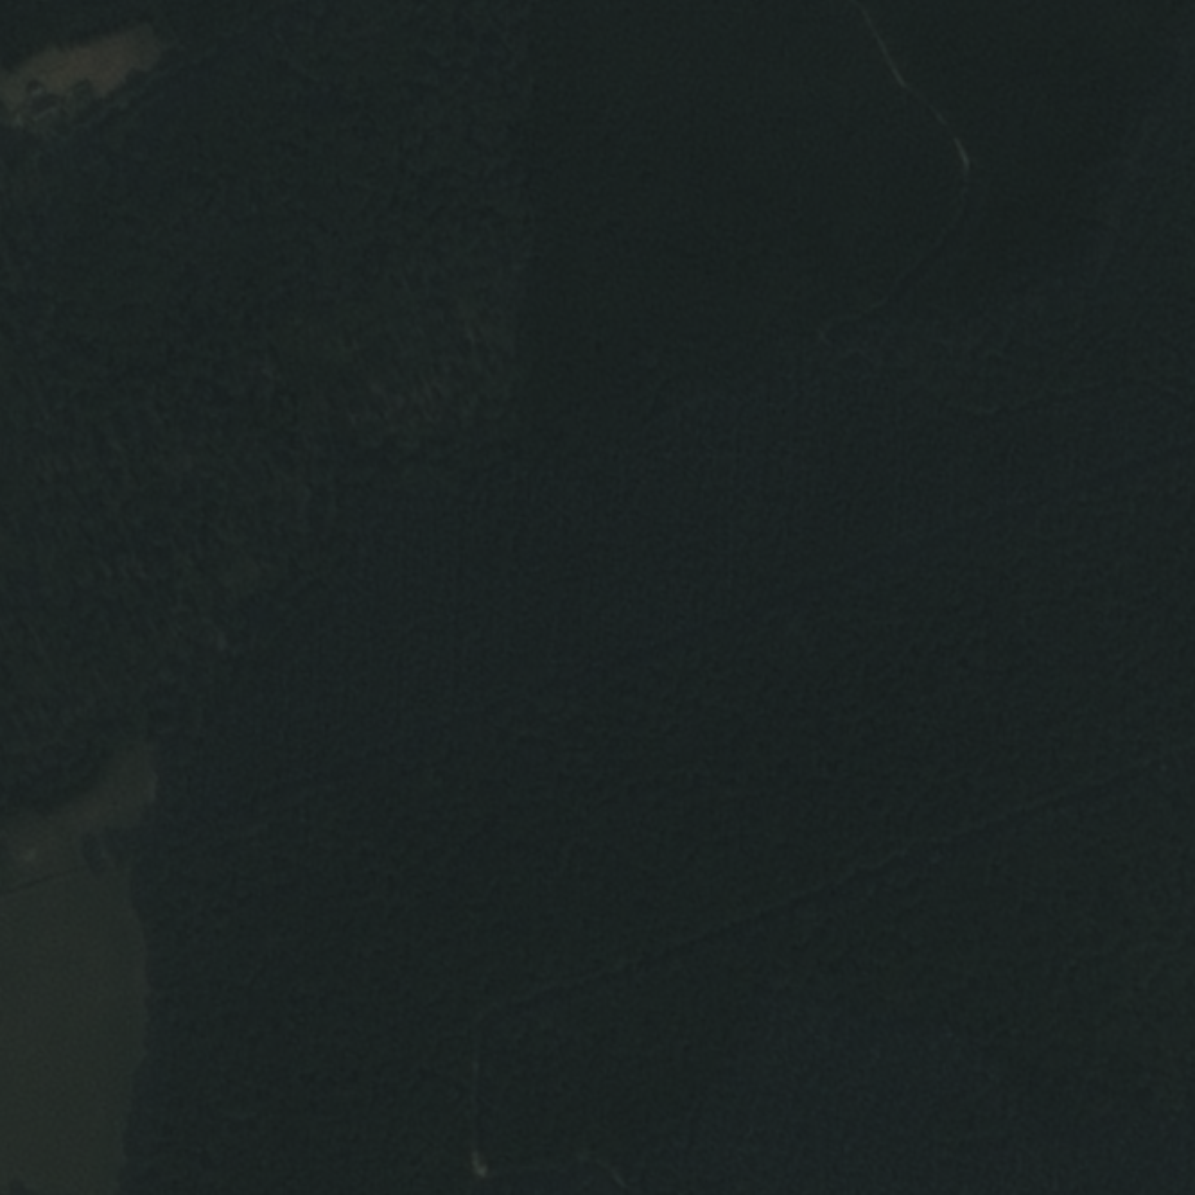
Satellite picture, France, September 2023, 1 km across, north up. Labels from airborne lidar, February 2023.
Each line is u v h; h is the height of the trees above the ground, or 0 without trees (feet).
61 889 0
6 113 0
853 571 79
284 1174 75
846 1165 93
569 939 80
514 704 86
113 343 105
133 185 103
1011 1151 96
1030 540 77
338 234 104
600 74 53
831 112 47
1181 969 77
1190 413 49
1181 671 78
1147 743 80
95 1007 0
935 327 72
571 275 47
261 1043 83
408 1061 79
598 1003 75
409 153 98
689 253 37
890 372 49
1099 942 76
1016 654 74
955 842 80
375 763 79
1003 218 43
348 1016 81
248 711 60
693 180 45
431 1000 75
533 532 65
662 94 47
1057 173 52
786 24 49
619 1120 64
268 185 103
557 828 85
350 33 99
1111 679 72
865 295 45
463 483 71
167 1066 79
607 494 63
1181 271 71
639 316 42
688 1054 78
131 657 112
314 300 99
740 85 47
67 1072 0
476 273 94
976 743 78
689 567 53
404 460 76
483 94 106
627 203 40
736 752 86
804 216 45
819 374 49
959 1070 99
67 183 107
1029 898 44
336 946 83
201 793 56
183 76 48
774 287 37
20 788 81
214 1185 87
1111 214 76
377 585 66
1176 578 76
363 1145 71
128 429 98
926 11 45
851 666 89
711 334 51
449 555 56
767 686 85
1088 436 41
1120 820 85
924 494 49
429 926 73
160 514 0
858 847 82
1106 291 79
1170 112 76
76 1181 0
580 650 48
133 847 50
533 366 35
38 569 111
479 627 64
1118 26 40
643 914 82
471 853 82
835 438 65
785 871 85
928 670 83
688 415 63
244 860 82
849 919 82
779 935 82
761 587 56
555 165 47
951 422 53
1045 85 62
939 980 70
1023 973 70
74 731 108
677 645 72
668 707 81
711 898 80
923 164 45
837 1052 106
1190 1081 77
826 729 82
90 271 99
